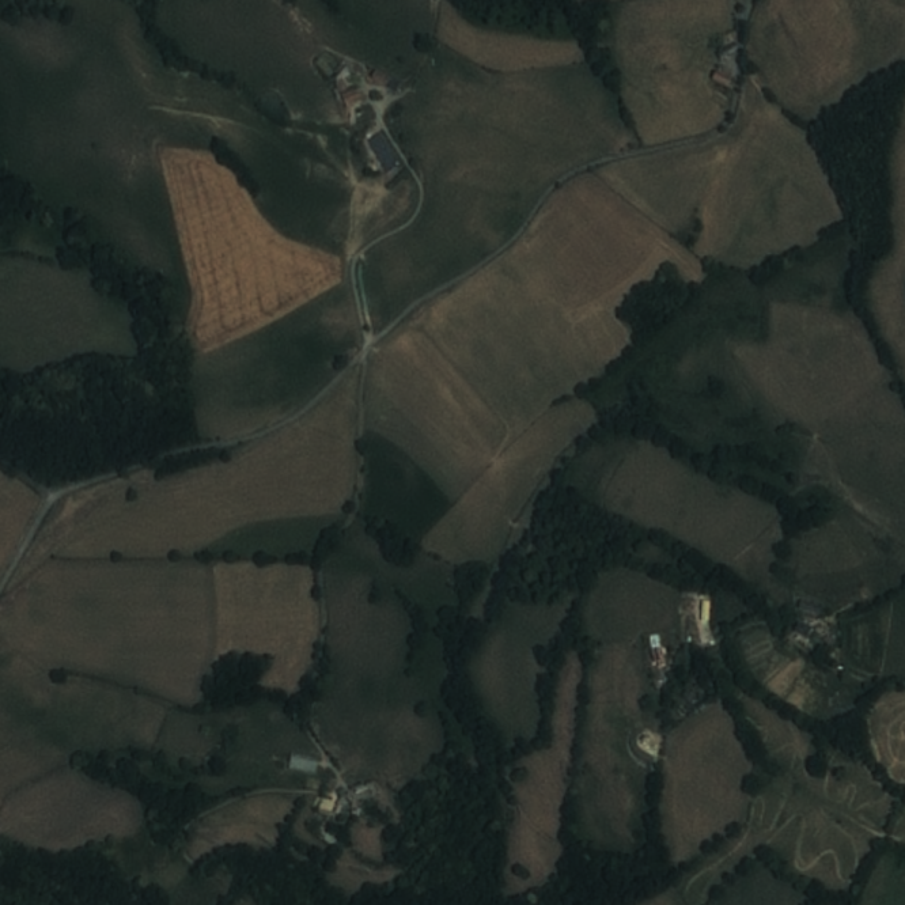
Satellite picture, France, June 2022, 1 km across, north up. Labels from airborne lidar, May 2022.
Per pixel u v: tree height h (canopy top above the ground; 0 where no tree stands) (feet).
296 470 0
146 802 49
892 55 0
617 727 0
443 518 0
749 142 0
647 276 0
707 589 42
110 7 0
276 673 0
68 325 0
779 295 0
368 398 0
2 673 0
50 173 0
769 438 0
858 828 0
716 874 0
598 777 0
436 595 0
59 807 0
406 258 0
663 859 48
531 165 0
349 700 0
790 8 0
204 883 0
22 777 0
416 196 0
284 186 0
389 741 0
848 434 0
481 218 0
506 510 0
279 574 0
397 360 0
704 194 0
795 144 0
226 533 0
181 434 24
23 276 0
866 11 0
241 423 0
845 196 71
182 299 0
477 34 0
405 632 0
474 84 0
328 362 0
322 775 0
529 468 0
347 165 0
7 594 0
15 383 85
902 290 0
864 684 28
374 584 18
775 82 0
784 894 0
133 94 0
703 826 0
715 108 0
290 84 0
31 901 76
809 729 36
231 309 0
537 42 0
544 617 0
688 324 0
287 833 45
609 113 0
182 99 0
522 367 0
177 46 46
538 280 0
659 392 0
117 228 0
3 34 0
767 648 0
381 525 44
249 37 0
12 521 0
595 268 0
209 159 0
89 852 52
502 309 0
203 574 0
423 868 45
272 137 0
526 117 0
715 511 0
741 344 0
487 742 82
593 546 38
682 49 0
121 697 0
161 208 0
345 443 0
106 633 0
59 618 0
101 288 62
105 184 0
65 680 37
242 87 36
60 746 0
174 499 0
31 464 63
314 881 35
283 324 0
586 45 42
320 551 44
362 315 0
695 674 37
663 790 52
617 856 38
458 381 0
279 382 0
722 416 0
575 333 0
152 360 55
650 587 0
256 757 0
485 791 82
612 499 0
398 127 0
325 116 0
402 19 0
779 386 0
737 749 0
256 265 0
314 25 0
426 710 39
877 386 0
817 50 0
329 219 0
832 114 77
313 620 0
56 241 0
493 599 52
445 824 36
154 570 0
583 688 33
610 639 0
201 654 0
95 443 73
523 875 42
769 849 33
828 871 0
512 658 0
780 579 0
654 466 0
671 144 0
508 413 0
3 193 79
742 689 46
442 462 0
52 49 0
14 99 0
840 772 51
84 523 0
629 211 0
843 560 0
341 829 43
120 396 91
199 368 0
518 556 50
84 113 0
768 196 0
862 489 0
